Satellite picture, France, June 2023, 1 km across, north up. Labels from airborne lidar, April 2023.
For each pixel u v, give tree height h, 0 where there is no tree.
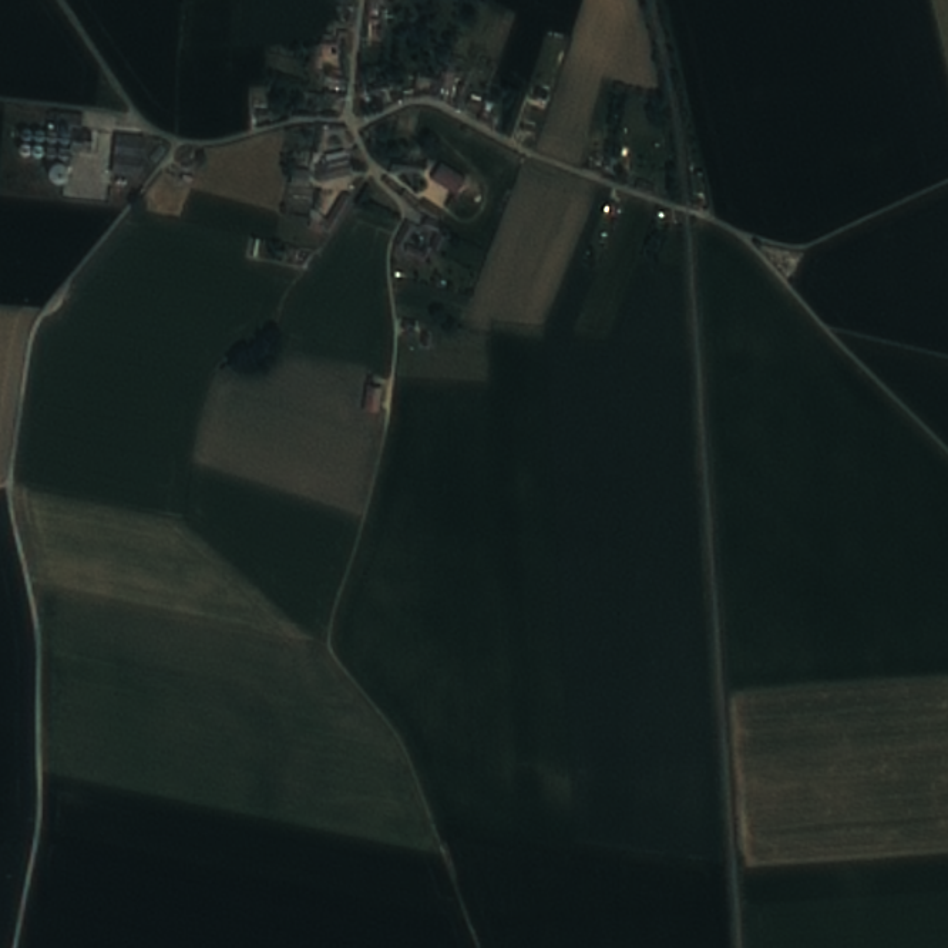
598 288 0
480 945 0
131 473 0
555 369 0
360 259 0
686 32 0
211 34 0
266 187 0
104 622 0
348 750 0
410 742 0
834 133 0
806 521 0
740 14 0
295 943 0
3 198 0
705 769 0
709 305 0
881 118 0
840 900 0
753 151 0
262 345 24
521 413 0
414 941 0
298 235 0
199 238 0
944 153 0
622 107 6
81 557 0
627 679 0
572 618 0
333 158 0
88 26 0
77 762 0
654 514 0
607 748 0
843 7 0
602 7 0
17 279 0
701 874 0
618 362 0
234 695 0
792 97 0
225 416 0
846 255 0
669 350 0
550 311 0
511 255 0
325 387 0
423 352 0
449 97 0
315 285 0
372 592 0
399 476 0
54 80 0
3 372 0
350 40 0
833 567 0
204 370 0
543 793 0
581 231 0
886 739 0
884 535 0
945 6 0
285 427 0
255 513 0
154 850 0
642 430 0
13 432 0
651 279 0
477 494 0
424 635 0
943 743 0
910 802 0
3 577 0
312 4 0
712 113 0
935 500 0
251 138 0
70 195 0
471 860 0
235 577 0
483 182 0
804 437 0
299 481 0
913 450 0
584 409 0
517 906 0
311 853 0
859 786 0
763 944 0
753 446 0
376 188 0
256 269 0
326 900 0
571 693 0
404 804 0
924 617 0
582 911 0
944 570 0
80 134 0
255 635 0
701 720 0
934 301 0
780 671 0
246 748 0
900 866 0
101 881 0
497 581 0
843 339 0
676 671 0
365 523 0
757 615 0
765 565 0
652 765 0
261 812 0
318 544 0
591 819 0
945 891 0
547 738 0
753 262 0
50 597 0
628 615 0
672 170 12
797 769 0
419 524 0
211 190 0
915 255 0
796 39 0
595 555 0
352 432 0
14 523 0
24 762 0
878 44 0
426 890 0
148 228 0
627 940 0
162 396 0
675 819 0
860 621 0
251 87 0
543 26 0
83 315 0
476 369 0
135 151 0
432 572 0
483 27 0
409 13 13
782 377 0
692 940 0
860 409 0
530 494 0
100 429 0
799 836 0
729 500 0
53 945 0
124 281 0
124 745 0
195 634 0
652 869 0
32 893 0
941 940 0
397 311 0
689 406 0
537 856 0
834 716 0
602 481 0
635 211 0
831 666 0
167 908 0
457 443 0
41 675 0
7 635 0
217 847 0
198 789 0
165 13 0
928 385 0
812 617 0
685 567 0
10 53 0
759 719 0
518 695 0
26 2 0
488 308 0
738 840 0
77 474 0
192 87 0
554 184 0
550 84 0
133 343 0
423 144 14
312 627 0
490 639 0
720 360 0
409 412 0
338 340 0
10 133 0
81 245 0
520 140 0
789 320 0
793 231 0
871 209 0
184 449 0
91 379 0
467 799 0
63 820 0
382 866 0
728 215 0
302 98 8
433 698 0
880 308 0
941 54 0
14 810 0
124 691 0
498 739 0
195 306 0
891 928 0
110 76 0
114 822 0
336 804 0
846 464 0
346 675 0
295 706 0
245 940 0
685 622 0
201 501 0
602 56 0
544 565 0
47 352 0
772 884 0
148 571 0
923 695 0
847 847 0
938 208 0
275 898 0
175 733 0
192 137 0
